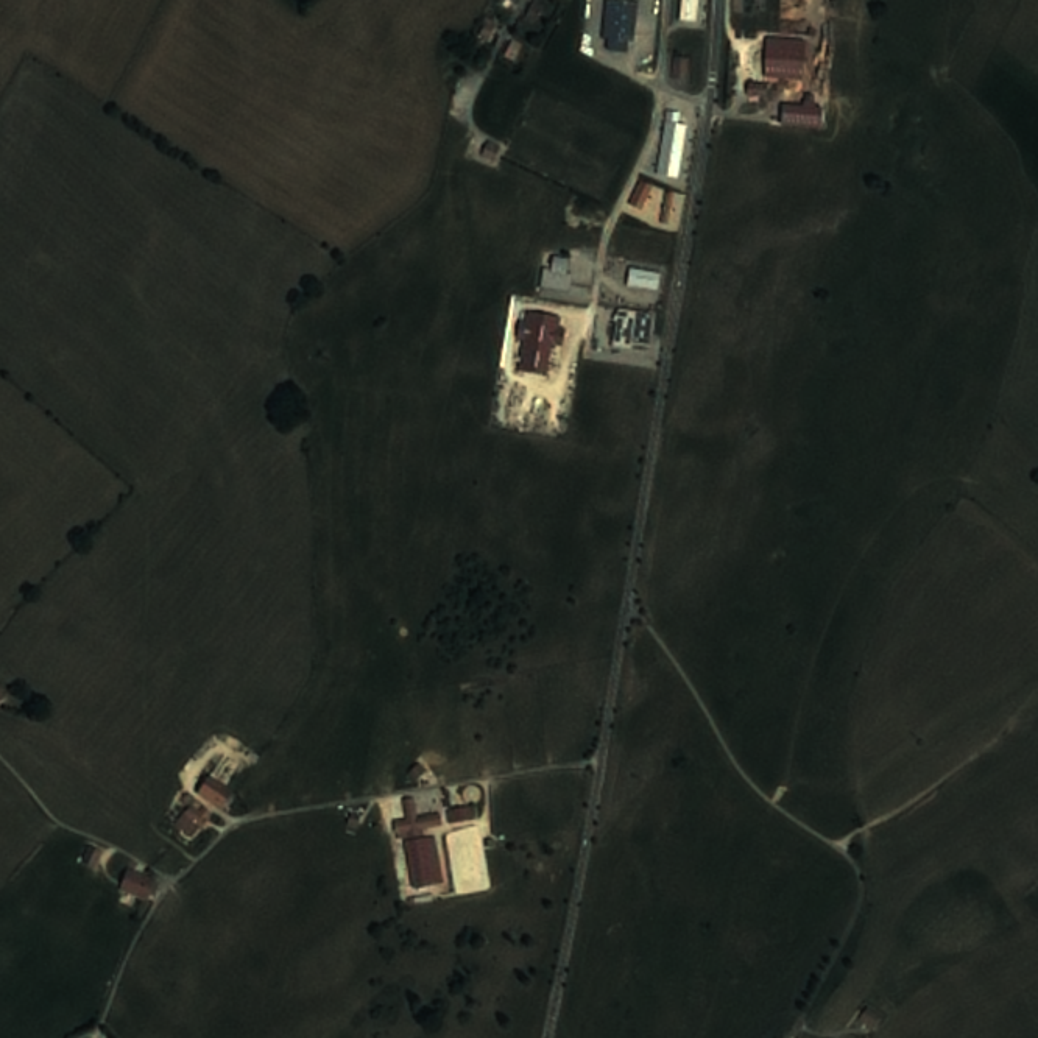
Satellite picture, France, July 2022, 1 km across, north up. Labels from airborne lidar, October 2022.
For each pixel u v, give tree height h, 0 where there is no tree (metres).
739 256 0
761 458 0
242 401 0
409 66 0
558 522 0
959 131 0
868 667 0
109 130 0
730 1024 0
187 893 0
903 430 0
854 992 0
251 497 0
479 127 0
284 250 0
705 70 0
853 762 0
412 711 0
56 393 0
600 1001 0
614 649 0
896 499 0
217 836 0
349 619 0
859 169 0
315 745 0
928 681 0
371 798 0
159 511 0
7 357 0
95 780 0
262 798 0
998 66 0
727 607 0
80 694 0
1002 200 0
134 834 0
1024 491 0
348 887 0
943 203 0
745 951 0
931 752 0
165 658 0
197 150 0
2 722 0
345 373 0
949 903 0
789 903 0
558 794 0
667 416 0
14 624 0
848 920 0
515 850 8
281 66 0
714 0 0
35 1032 0
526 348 0
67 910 0
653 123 0
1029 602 0
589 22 0
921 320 0
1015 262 0
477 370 0
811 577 0
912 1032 0
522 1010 0
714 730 0
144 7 0
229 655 0
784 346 0
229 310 0
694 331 0
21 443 0
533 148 0
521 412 0
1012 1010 0
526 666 0
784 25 0
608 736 0
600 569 0
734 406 0
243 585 0
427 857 0
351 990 0
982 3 0
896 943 0
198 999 0
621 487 0
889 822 0
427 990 0
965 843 0
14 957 0
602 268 0
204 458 0
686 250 0
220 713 0
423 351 0
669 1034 0
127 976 0
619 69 0
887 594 0
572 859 0
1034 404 0
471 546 0
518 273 0
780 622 0
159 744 0
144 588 0
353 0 0
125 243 0
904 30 0
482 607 9
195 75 0
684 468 0
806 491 0
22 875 0
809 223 0
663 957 0
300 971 0
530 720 0
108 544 0
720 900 0
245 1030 0
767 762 0
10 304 0
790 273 0
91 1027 12
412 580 0
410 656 0
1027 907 0
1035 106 0
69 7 0
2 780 0
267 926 0
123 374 0
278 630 0
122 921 0
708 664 0
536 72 0
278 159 0
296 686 0
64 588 0
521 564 0
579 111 0
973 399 0
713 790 0
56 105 0
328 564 0
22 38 0
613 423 0
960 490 0
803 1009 12
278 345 0
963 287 0
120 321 0
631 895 0
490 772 0
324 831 0
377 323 7
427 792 0
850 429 0
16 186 0
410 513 0
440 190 0
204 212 0
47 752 0
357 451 0
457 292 0
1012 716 0
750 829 0
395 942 0
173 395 0
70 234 0
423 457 0
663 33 0
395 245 0
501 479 0
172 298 0
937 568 0
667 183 0
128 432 0
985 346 0
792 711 0
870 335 0
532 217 0
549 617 0
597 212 0
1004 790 0
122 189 0
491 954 0
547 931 0
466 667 0
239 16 0
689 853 0
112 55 0
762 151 0
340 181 0
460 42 9
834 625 0
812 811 0
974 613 0
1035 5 0
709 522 0
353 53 0
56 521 0
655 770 0
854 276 0
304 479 0
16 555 0
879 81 0
